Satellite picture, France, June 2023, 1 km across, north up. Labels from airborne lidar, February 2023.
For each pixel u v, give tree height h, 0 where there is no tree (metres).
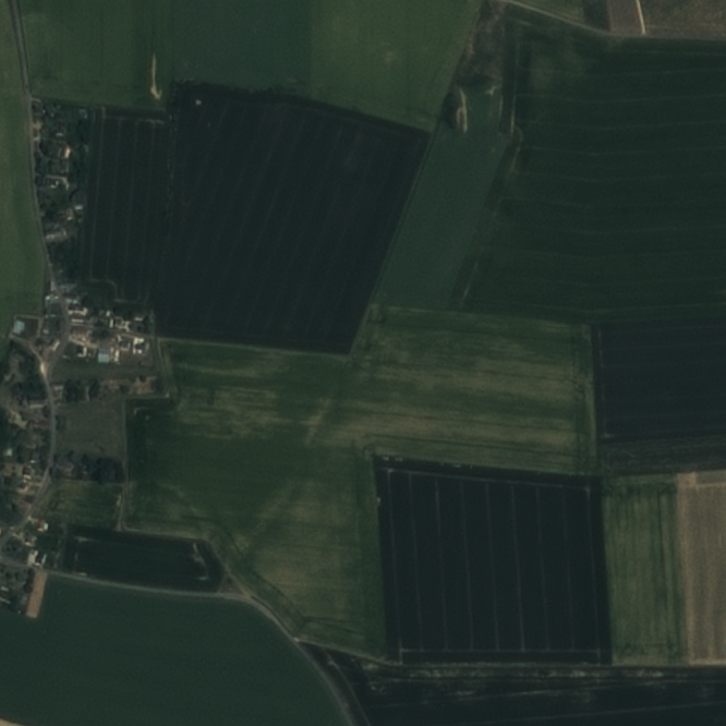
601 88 0
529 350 0
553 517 0
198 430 0
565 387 0
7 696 0
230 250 0
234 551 0
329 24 0
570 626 0
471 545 0
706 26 0
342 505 0
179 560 0
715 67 0
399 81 0
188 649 0
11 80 0
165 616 0
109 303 0
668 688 0
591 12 0
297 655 0
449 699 0
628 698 0
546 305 0
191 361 0
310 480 0
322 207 0
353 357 0
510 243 0
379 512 0
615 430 0
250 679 0
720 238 0
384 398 0
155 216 0
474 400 0
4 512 0
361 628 0
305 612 0
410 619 0
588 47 0
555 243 0
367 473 0
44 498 0
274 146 0
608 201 0
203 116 0
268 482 0
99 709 0
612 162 0
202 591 0
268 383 0
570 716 0
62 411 0
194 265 0
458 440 0
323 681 0
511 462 0
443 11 0
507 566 0
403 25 0
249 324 0
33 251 0
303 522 0
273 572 0
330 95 0
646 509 0
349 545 0
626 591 0
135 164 0
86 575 0
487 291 0
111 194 0
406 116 0
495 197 0
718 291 0
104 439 0
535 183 0
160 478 0
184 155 0
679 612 0
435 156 0
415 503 0
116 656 0
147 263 0
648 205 0
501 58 0
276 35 0
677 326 0
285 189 0
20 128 0
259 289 0
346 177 0
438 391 0
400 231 0
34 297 0
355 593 0
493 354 0
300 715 0
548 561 0
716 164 0
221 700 0
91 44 0
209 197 0
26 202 0
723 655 0
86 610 0
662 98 0
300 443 0
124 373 0
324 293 0
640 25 0
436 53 0
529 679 0
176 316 0
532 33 0
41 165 19
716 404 0
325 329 0
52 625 0
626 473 0
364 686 0
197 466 0
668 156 0
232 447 0
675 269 0
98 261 0
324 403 0
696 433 0
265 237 0
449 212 0
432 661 0
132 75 0
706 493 0
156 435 0
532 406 0
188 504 0
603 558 0
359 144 0
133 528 0
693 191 0
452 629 0
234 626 0
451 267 0
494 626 0
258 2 0
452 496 0
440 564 0
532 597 0
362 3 0
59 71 0
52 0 0
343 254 0
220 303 0
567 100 0
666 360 0
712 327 0
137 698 0
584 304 0
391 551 0
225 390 0
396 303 0
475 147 0
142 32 0
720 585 0
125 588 0
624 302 0
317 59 0
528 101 0
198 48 0
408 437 0
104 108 0
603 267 0
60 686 0
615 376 0
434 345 0
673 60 0
